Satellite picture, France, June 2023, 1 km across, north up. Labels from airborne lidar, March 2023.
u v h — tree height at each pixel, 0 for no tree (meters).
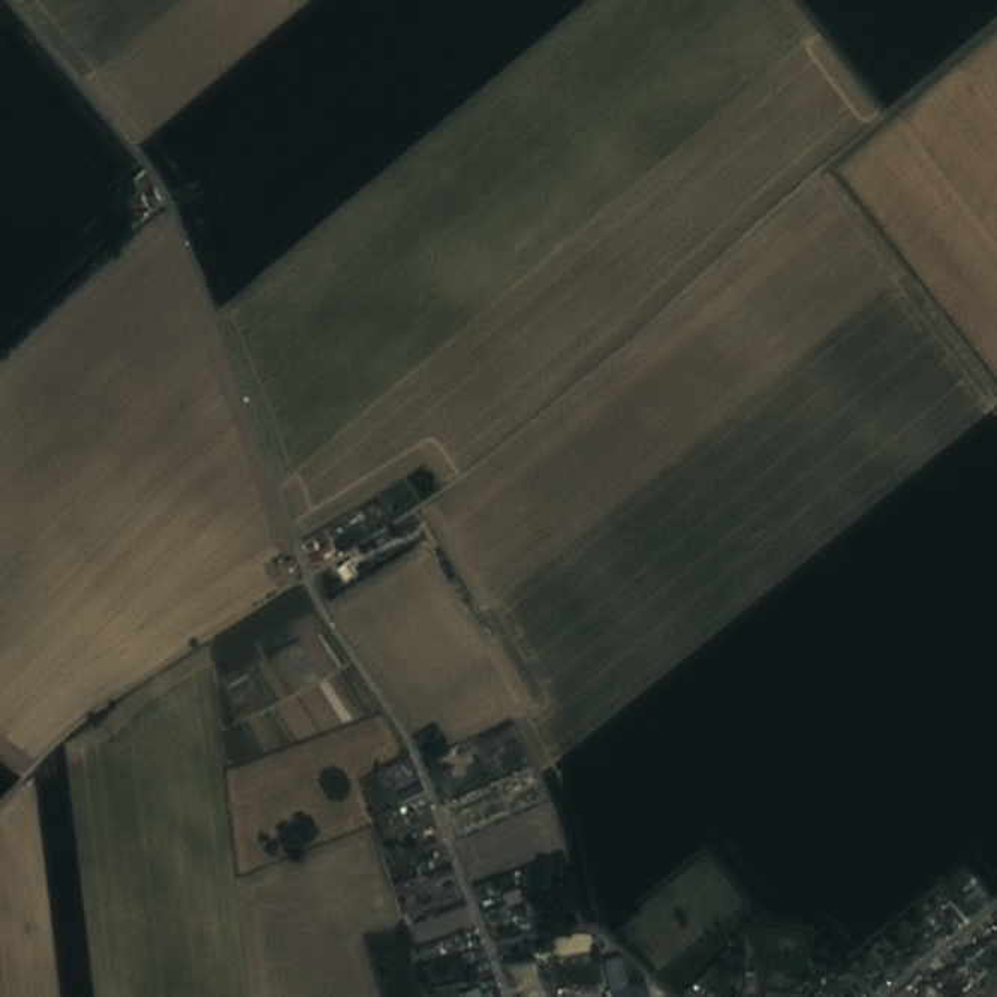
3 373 0
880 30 0
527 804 0
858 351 0
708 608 0
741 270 0
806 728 0
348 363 0
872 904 0
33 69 0
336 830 0
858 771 0
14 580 0
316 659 0
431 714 0
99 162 0
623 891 0
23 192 0
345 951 0
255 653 0
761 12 0
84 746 0
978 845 0
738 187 0
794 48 0
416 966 10
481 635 0
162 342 0
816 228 0
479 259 0
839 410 0
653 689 0
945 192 0
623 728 0
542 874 19
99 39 0
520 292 0
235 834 0
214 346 0
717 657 0
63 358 0
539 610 0
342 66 0
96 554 0
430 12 0
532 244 0
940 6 0
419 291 0
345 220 0
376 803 0
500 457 0
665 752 0
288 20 0
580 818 0
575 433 0
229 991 0
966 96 0
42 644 0
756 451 0
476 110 0
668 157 0
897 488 0
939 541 0
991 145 0
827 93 0
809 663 0
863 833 0
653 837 0
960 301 0
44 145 0
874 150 0
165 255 0
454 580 0
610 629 0
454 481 0
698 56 0
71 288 6
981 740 0
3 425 0
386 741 0
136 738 0
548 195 0
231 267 0
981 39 0
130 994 0
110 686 0
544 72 0
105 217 0
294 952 0
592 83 0
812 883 0
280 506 0
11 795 0
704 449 0
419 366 0
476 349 0
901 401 0
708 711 0
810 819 0
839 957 10
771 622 0
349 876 0
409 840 14
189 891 0
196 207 0
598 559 0
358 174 0
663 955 0
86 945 0
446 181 0
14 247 0
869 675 0
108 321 0
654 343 0
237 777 0
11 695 0
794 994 0
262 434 0
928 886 0
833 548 0
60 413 0
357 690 0
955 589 0
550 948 12
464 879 0
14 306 0
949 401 0
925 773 0
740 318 0
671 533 0
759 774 0
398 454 0
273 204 0
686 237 0
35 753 0
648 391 0
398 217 0
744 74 0
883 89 0
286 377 0
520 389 0
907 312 0
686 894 0
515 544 0
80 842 0
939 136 0
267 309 0
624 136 0
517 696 0
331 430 0
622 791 0
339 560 0
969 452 0
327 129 0
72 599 0
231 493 0
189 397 0
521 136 0
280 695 0
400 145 0
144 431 0
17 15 0
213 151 0
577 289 0
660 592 0
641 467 0
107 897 0
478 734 0
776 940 0
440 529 0
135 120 0
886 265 0
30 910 0
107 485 0
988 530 0
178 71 0
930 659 0
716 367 0
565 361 0
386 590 0
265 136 0
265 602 0
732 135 0
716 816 0
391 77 0
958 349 0
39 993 0
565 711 0
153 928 0
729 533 0
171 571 0
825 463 0
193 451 0
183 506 0
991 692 0
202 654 0
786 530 0
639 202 0
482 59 0
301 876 0
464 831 0
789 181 0
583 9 0
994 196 0
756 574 0
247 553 0
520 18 0
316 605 0
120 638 0
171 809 0
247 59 0
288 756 0
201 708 0
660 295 0
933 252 0
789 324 0
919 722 0
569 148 0
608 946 0
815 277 0
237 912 0
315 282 0
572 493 0
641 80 0
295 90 0
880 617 0
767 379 0
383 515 0
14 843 0
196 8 0
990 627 0
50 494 0
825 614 0
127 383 0
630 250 0
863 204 0
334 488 0
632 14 0
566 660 0
